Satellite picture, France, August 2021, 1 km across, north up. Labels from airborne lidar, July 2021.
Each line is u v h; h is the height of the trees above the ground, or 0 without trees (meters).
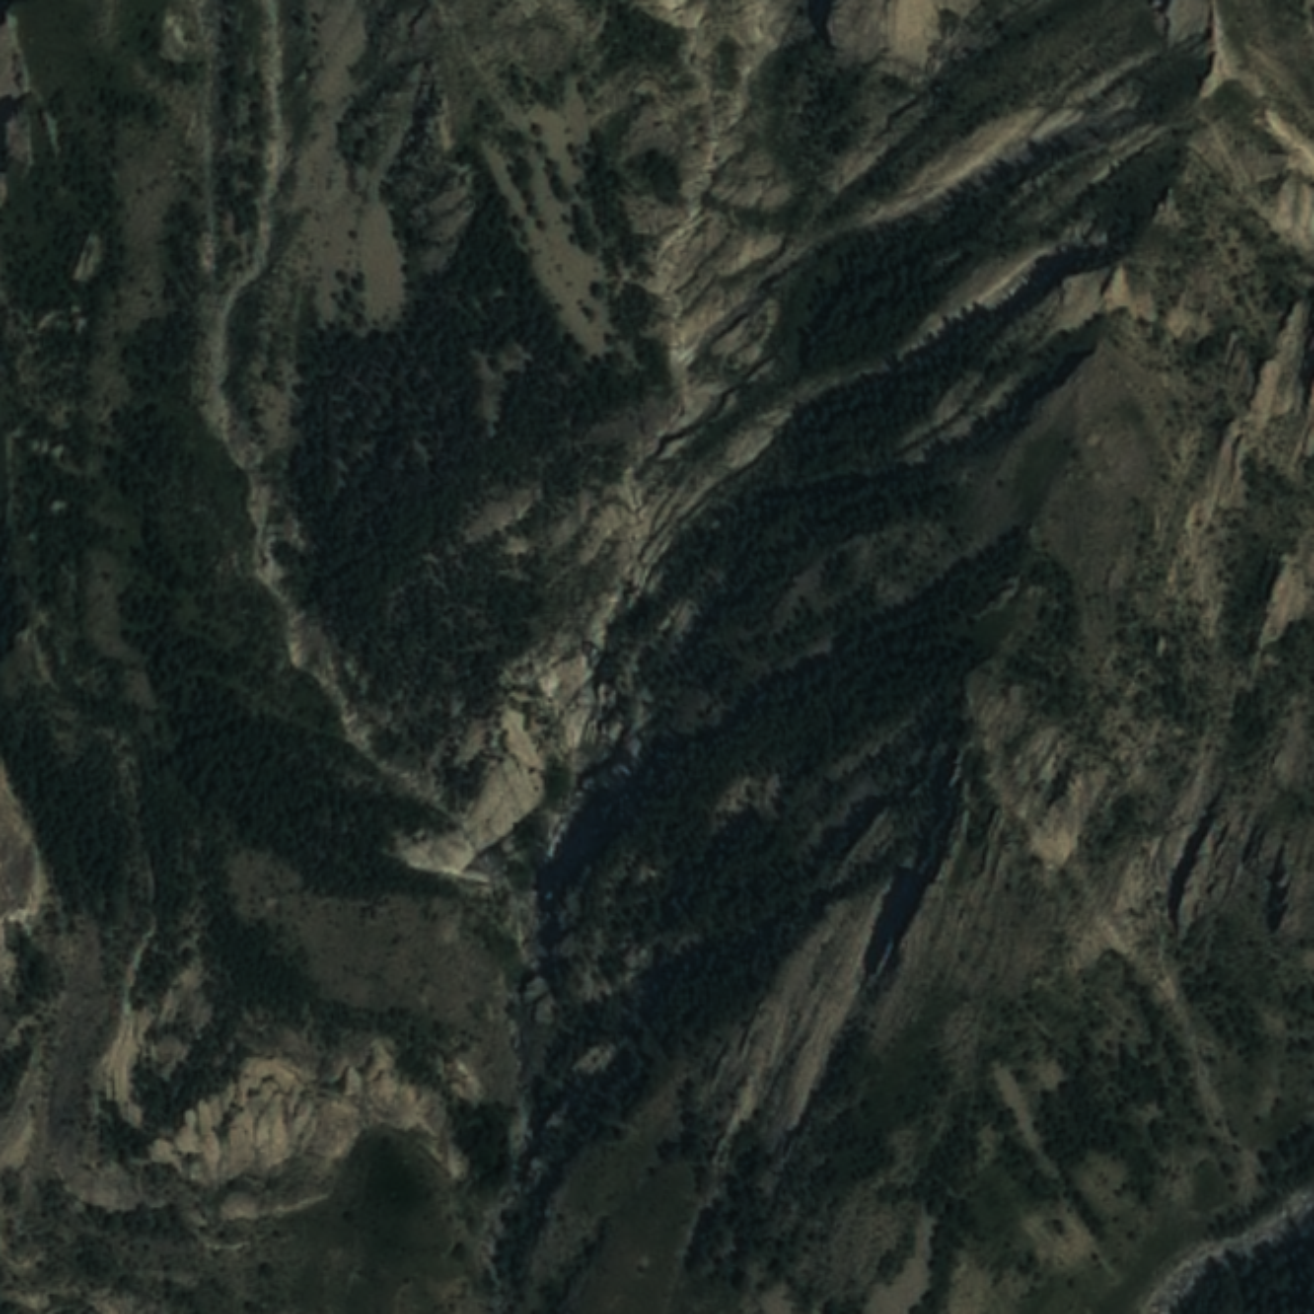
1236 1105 0
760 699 24
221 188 7
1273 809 0
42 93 0
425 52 0
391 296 0
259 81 10
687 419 0
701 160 0
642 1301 0
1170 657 11
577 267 0
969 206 11
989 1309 0
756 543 7
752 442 0
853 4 0
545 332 18
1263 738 7
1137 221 8
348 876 14
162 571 22
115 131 9
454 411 9
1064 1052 11
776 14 0
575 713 0
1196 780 0
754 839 28
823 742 21
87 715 12
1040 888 6
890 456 7
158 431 11
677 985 22
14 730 8
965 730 12
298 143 0
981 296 0
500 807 0
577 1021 12
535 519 9
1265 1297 22
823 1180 7
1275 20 0
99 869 19
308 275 0
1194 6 0
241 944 19
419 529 23
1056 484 0
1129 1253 0
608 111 0
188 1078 12
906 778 7
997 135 0
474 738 0
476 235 18
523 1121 0
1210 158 0
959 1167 13
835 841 13
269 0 0
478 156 10
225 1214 0
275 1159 0
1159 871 0
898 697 10
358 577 26
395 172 11
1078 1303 0
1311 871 8
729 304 0
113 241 8
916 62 0
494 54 0
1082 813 0
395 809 9
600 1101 6
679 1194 0
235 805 25
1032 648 7
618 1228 0
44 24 0
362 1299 0
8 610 7
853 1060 13
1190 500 0
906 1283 0
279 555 11
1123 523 0
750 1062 0
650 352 8
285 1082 0
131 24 0
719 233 0
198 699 16
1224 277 0
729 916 18
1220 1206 0
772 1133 0
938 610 16
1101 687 8
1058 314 0
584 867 20
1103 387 0
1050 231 7
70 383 10
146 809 13
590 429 7
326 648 0
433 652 8
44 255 7
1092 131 0
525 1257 7
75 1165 0
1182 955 8
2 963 0
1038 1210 0
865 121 6
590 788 9
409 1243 0
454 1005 0
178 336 17
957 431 0
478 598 19
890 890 0
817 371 10
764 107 0
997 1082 0
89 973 0
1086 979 9
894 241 11
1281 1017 0
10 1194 9
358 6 0
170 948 12
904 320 13
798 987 0
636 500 0
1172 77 0
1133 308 0
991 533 0
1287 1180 8
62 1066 0
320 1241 0
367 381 14
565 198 19
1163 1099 12
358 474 28
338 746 7
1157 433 0
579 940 14
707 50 0
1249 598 7
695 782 20
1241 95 0
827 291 12
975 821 12
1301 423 0
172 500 7
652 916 18
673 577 10
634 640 10
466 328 20
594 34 0
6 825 0
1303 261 11
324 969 0
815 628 7
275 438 0
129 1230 15
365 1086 0
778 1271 12
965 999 8
